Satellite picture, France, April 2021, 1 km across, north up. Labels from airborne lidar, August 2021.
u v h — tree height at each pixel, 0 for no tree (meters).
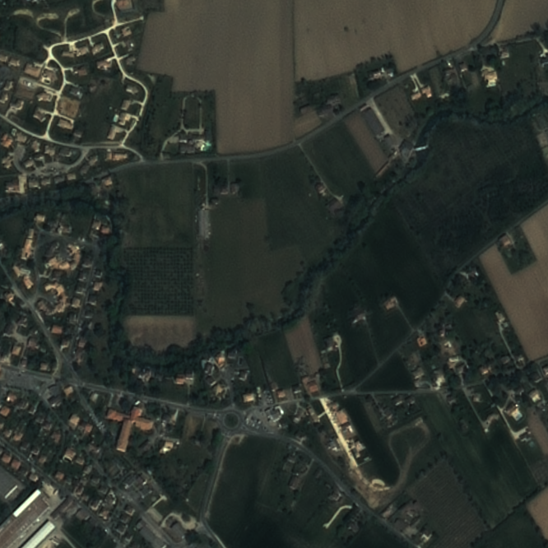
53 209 18
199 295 0
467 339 0
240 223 0
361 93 8
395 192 19
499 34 0
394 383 0
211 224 0
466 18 0
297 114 0
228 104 0
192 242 0
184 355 8
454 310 0
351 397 0
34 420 7
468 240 9
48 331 0
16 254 7
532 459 0
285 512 7
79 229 0
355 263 0
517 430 0
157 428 7
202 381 8
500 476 0
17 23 0
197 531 0
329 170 0
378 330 0
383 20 0
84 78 0
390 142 0
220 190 0
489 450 0
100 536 12
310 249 0
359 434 0
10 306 9
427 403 0
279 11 0
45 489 0
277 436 0
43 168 0
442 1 0
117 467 0
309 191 0
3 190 0
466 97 29
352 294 0
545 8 0
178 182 0
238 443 0
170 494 11
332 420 0
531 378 6
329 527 0
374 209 22
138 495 0
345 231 0
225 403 10
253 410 0
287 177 0
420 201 7
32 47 0
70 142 7
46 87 0
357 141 0
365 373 0
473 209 8
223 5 0
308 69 0
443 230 9
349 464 0
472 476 0
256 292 0
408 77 0
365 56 0
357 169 0
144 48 0
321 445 0
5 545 0
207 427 0
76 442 9
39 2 8
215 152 6
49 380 0
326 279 23
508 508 0
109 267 17
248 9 0
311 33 0
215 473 0
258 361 0
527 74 0
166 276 5
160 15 0
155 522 0
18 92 0
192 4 0
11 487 0
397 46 0
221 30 0
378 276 0
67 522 16
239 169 0
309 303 33
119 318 19
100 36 0
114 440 17
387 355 0
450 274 6
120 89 0
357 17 0
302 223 0
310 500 0
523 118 12
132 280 24
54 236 0
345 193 0
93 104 0
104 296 0
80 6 0
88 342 14
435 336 9
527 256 17
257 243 0
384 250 0
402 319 0
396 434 0
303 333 0
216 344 15
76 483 8
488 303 8
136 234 0
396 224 0
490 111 13
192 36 0
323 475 6
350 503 0
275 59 0
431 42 0
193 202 0
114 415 0
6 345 7
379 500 0
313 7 0
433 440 0
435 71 0
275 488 0
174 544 0
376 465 0
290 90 0
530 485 0
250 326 20
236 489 0
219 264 0
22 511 0
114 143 0
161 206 0
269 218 0
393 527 0
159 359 25
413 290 0
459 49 0
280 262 0
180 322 0
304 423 6
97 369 26
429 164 9
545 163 11
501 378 12
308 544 0
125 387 11
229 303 0
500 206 12
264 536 0
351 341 0
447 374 12
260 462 0
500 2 0
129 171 0
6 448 8
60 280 6
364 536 0
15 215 12
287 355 0
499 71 7
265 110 0
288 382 0
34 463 8
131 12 0
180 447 0
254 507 0
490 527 8
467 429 13
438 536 6
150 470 13
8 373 0
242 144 0
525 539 0
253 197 0
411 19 0
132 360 22
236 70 0
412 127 20
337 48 0
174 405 0
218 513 0
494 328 0
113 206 17
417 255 0
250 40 0
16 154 0
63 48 0
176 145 0
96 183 9
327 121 0
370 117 0
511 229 0
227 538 0
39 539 0
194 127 0
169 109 0
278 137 0
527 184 7
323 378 7
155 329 0
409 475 0
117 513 11
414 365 0
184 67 0
